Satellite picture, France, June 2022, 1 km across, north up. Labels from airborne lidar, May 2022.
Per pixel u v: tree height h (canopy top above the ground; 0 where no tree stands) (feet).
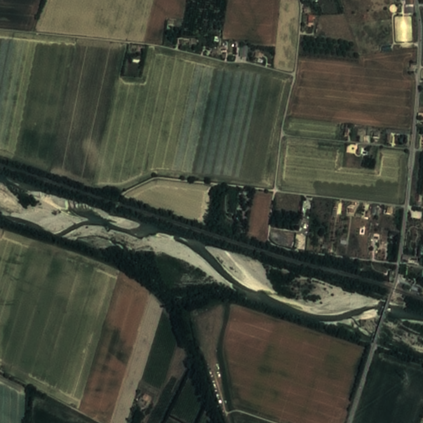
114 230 0
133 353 0
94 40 0
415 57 0
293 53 0
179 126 0
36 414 0
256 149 0
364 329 0
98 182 0
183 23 18
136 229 0
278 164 0
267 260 30
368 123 0
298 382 0
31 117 0
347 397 0
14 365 0
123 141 0
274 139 0
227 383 0
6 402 0
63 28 0
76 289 0
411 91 0
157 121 0
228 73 0
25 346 0
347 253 0
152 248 0
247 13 0
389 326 0
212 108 0
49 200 0
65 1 0
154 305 0
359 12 0
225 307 0
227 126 0
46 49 0
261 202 0
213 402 90
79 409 0
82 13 0
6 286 0
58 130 0
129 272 63
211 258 0
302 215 64
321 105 0
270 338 0
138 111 0
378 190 0
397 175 0
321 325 40
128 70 0
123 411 0
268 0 0
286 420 0
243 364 0
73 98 0
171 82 0
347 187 0
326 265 52
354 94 0
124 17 0
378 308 0
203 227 36
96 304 0
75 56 0
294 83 0
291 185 0
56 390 0
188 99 0
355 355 0
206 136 0
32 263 0
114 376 0
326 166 0
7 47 0
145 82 0
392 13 0
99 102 0
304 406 0
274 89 0
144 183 0
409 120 0
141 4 0
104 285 0
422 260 25
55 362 0
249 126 0
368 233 0
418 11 0
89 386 0
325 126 0
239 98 0
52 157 0
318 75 0
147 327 0
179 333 95
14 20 0
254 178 0
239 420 0
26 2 0
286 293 24
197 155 0
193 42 0
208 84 0
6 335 0
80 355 0
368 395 0
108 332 0
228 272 0
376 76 0
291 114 0
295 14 0
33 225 0
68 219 0
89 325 0
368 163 29
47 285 0
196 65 0
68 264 0
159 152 0
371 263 23
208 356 0
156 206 0
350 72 0
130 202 53
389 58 0
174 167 0
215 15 27
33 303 0
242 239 55
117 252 55
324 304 0
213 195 35
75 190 34
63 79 0
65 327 0
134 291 0
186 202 0
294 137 0
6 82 0
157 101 0
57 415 0
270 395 0
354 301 0
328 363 0
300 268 42
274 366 0
